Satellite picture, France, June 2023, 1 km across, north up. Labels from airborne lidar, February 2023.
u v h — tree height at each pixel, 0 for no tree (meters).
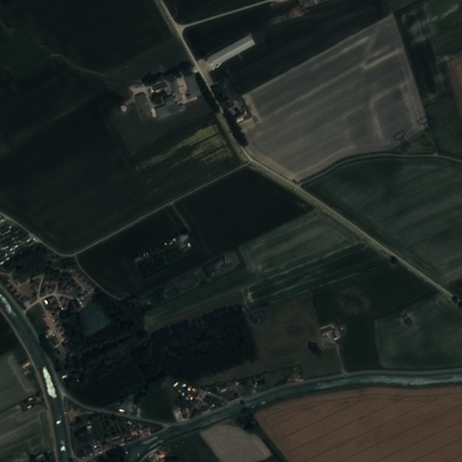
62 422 0
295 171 0
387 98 0
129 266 0
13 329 0
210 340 31
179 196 0
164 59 0
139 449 0
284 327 0
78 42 0
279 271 0
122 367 0
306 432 0
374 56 0
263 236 0
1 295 0
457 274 0
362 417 0
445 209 0
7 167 0
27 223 0
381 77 0
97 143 0
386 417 0
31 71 0
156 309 0
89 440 16
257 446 0
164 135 0
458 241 0
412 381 0
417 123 0
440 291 0
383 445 0
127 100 0
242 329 29
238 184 0
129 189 0
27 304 0
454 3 0
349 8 0
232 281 0
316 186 0
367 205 0
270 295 0
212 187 0
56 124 0
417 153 0
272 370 0
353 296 0
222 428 0
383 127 0
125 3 0
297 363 0
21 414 0
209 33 0
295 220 0
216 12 0
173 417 0
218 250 0
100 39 0
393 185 0
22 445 0
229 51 0
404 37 0
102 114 0
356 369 0
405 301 0
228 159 0
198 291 0
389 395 0
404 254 0
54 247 0
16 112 0
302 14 0
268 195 0
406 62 0
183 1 0
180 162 0
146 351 23
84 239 0
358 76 0
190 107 0
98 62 0
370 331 0
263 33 0
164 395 0
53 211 0
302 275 0
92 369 21
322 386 0
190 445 0
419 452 0
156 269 6
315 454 0
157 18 0
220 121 0
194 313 0
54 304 7
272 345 0
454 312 0
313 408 0
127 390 0
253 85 0
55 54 0
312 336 0
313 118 0
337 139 0
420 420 0
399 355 0
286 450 0
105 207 0
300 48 0
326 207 0
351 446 0
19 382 0
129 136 0
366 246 0
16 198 0
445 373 0
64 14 0
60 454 0
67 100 0
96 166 0
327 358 0
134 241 0
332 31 0
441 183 0
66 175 0
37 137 0
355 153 0
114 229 0
